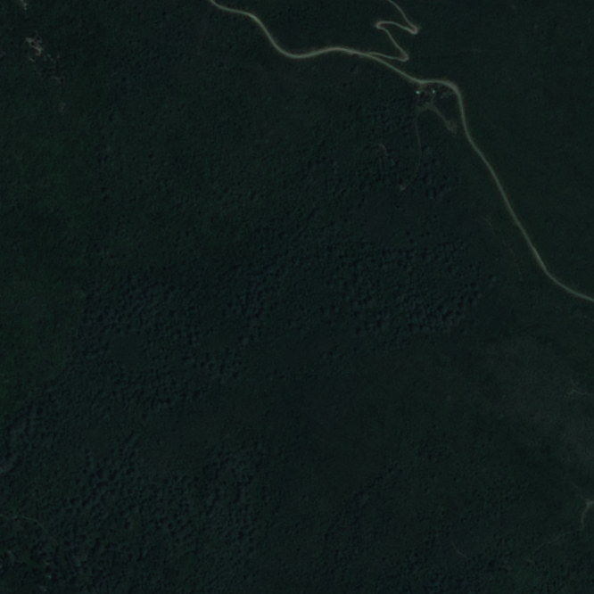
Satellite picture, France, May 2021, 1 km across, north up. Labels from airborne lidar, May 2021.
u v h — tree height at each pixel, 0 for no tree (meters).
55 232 19
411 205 6
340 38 5
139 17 7
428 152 13
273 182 12
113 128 13
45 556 18
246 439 6
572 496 6
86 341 15
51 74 11
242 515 11
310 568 7
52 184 14
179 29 6
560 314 6
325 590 9
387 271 8
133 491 17
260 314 20
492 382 6
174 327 10
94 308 16
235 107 13
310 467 7
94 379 12
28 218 16
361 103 12
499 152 5
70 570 8
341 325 6
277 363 6
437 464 6
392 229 6
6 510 10
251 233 19
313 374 8
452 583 12
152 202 12
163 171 10
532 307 6
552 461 6
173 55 7
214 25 5
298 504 7
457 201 5
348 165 6
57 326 17
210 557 17
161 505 13
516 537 8
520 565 8
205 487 8
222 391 7
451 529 9
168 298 16
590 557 12
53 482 16
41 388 17
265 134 9
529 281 6
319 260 9
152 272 19
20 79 8
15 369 18
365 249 13
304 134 6
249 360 7
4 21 11
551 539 6
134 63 13
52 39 17
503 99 5
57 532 12
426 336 8
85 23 20
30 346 10
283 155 8
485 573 19
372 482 9
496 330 6
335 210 10
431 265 9
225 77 7
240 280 9
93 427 8
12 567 23
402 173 16
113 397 6
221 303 9
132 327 18
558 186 6
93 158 17
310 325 7
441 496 6
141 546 16
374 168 11
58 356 11
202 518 8
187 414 7
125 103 13
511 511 6
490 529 7
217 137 11
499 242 6
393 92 8
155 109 9
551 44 6
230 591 12
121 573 11
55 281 10
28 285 9
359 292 10
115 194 14
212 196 12
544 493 6
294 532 7
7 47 13
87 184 16
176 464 6
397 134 6
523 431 6
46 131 12
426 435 6
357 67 12
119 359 6
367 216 6
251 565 12
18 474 13
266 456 10
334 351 9
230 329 7
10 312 8
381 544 6
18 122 9
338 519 10
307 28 7
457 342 8
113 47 19
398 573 13
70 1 18
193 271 16
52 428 12
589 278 5
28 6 7
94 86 20
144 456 9
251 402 6
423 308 20
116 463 20
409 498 6
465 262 9
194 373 6
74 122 8
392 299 9
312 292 9
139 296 14
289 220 18
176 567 17
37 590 26
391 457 10
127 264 13
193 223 17
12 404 16
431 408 7
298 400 7
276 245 12
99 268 10
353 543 12
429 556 13
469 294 6
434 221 7
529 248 6
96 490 24
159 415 8
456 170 6
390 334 7
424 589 9
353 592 14
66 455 10
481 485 8
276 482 6
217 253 21
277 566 8
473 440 6
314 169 15
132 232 10
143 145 9
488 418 6
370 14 5
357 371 7
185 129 14
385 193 6
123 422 7
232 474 6
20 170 14
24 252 17
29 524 15
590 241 6
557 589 11
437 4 5
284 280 8
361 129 6
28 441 11
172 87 11
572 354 6
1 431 18
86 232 15
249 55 11
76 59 21
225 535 13
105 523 18
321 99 6
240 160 8
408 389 5
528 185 5
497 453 8
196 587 15
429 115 7
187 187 11
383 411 5
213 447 6
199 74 10
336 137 12
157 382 17
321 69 6
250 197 6
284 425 7
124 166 12
